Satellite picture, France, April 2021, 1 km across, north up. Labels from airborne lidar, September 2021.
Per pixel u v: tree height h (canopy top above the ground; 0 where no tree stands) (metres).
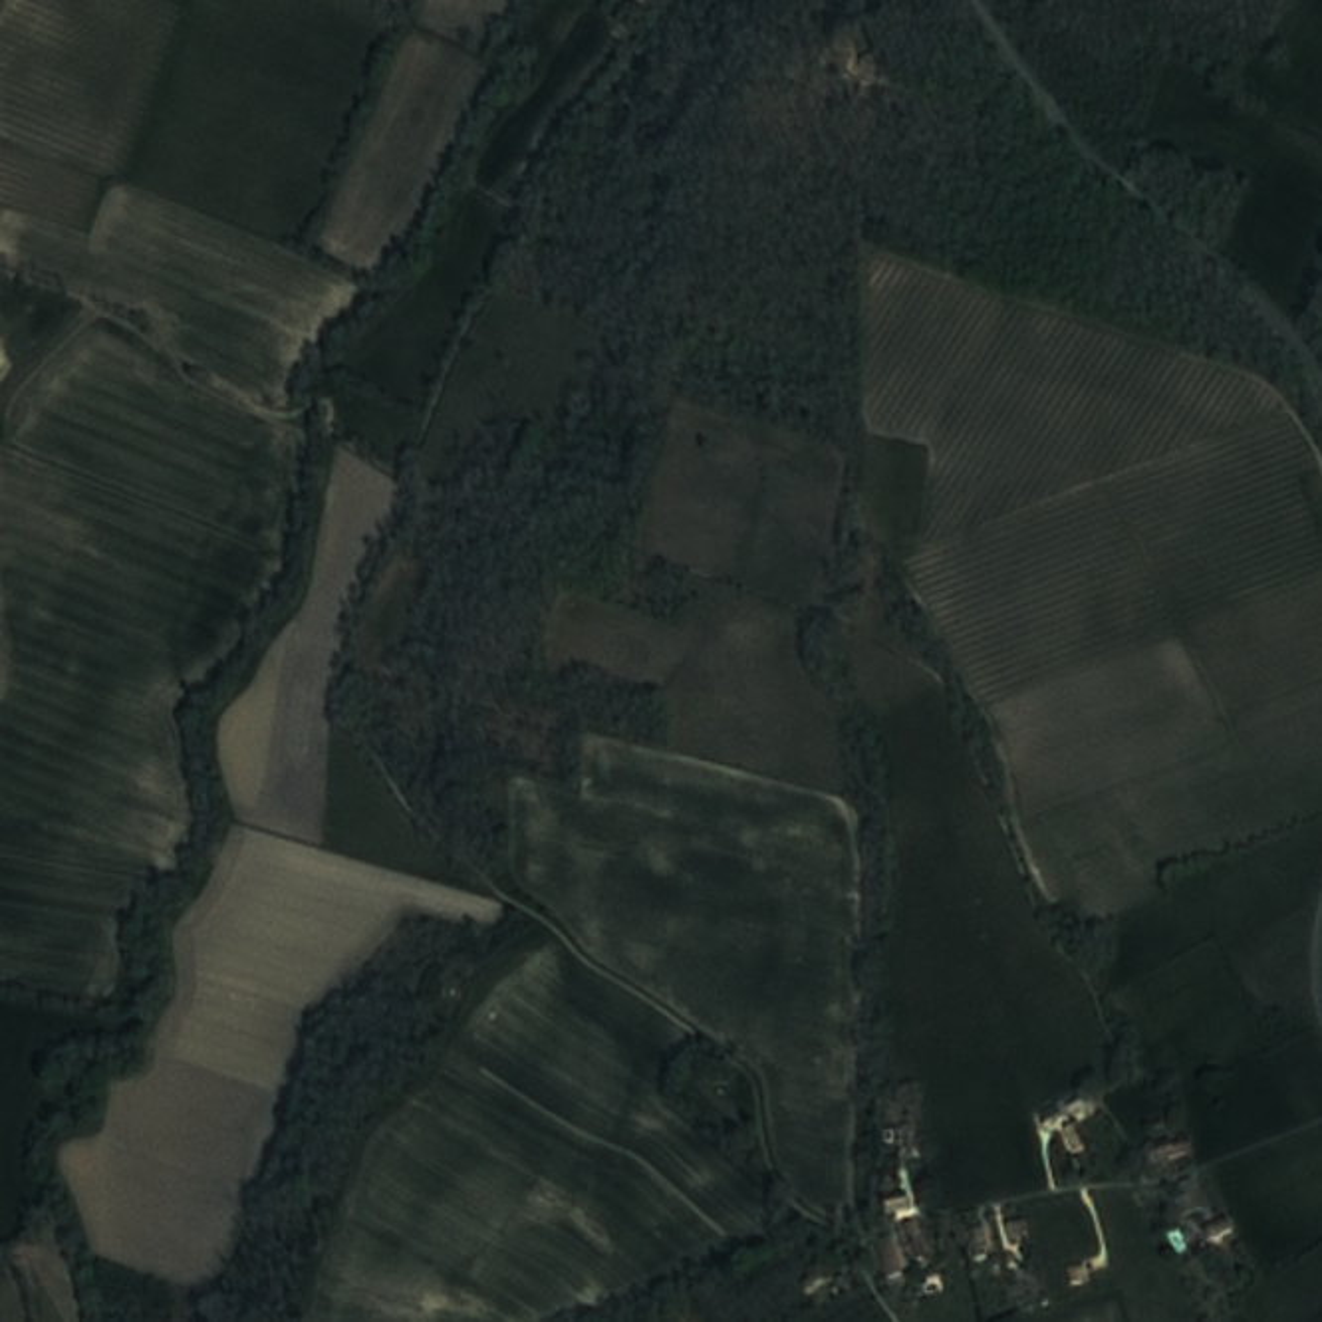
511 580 22
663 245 22
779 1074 0
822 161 21
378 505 0
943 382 0
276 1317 20
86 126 0
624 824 0
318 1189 22
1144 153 15
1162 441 0
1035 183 21
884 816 11
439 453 0
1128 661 0
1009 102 19
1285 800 0
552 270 15
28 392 0
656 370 22
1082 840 0
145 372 0
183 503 0
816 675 16
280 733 0
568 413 13
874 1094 17
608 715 18
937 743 0
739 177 18
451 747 12
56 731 0
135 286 0
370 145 0
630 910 0
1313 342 17
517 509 22
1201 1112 0
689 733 0
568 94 0
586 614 0
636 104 17
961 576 0
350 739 12
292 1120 17
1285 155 0
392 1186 0
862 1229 12
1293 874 0
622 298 25
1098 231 22
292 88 0
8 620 0
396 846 0
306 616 0
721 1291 10
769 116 17
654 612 10
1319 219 0
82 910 0
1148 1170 16
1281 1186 0
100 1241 0
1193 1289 8
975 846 0
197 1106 0
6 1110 0
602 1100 0
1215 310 19
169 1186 0
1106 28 19
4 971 0
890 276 0
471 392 0
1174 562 0
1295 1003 0
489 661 19
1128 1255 0
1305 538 0
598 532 21
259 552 0
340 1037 16
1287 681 0
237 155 0
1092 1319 0
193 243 0
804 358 14
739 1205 0
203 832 15
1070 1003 0
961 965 0
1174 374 0
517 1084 0
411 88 0
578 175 23
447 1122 0
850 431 11
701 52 15
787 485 0
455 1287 0
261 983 0
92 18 0
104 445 0
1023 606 0
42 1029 0
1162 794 0
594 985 0
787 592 0
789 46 15
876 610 0
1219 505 0
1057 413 0
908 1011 0
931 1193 15
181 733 15
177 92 0
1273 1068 0
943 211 22
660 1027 0
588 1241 0
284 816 0
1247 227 0
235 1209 0
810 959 0
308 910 0
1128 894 0
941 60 24
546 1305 0
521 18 19
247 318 0
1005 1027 0
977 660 0
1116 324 8
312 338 0
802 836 0
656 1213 0
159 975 19
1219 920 0
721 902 0
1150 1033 0
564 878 0
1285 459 0
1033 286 19
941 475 0
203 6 0
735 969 0
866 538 10
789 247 20
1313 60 0
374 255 0
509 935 6
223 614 0
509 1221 0
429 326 0
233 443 0
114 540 0
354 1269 0
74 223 0
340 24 0
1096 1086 17
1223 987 0
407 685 11
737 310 16
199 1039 0
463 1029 0
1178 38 19
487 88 8
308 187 0
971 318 0
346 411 0
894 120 16
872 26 21
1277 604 0
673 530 0
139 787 0
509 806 0
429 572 18
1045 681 0
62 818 0
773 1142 0
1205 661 0
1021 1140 0
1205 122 0
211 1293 12
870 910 17
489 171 0
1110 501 0
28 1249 10
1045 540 0
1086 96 7
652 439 16
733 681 0
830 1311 8
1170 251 22
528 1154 0
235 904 0
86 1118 19
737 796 0
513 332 0
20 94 0
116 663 0
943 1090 0
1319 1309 0
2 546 0
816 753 0
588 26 0
